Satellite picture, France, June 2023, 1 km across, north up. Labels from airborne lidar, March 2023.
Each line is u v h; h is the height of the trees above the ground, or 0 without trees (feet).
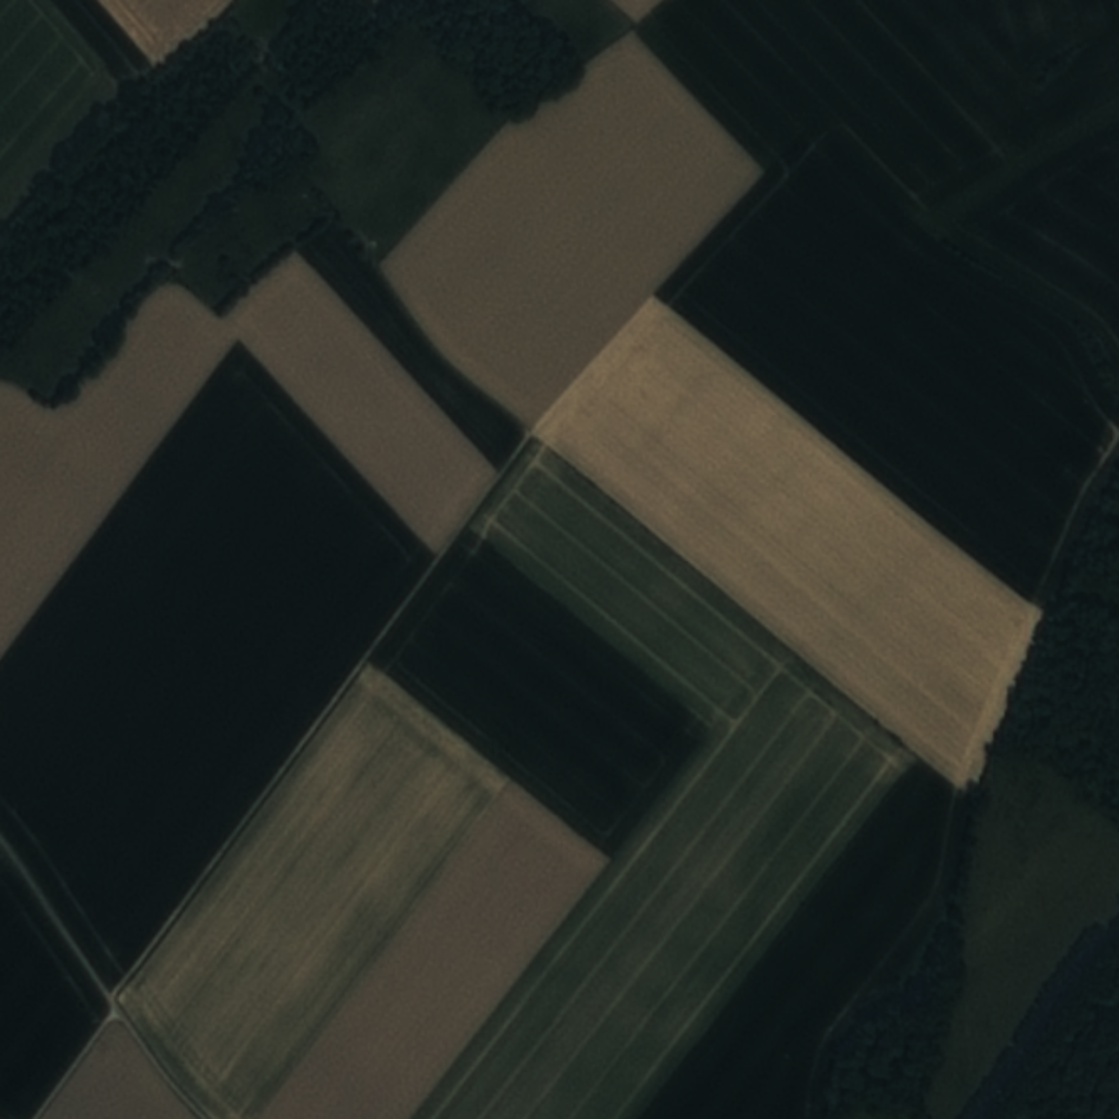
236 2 18
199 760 0
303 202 0
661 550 0
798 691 0
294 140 89
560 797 0
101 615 0
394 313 0
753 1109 0
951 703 0
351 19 46
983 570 0
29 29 0
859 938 0
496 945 0
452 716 0
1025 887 0
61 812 0
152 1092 0
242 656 0
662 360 0
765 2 0
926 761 0
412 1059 0
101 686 0
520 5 68
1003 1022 0
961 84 0
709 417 0
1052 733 68
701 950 0
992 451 0
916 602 0
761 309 0
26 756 0
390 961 0
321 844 0
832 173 0
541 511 0
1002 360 0
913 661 0
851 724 0
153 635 0
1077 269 0
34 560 0
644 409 0
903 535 0
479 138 0
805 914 0
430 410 0
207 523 0
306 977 0
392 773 0
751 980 0
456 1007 0
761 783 0
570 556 0
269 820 0
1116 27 0
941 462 0
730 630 0
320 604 0
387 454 0
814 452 0
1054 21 0
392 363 0
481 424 0
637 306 0
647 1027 0
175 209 0
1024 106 0
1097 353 30
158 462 0
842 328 0
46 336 0
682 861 0
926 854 0
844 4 0
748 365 0
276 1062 0
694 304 0
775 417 0
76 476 0
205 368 0
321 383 0
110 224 64
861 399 0
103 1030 0
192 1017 0
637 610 0
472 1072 0
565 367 0
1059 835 0
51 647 0
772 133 0
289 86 34
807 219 0
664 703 0
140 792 0
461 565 0
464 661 0
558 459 0
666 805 0
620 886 0
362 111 0
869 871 0
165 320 0
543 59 94
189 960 0
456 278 0
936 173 0
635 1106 0
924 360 0
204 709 0
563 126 0
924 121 0
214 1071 0
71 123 0
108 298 0
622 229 0
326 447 0
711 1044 0
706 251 0
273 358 0
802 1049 0
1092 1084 50
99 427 0
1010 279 0
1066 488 0
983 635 0
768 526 0
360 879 0
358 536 0
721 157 0
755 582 0
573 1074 0
